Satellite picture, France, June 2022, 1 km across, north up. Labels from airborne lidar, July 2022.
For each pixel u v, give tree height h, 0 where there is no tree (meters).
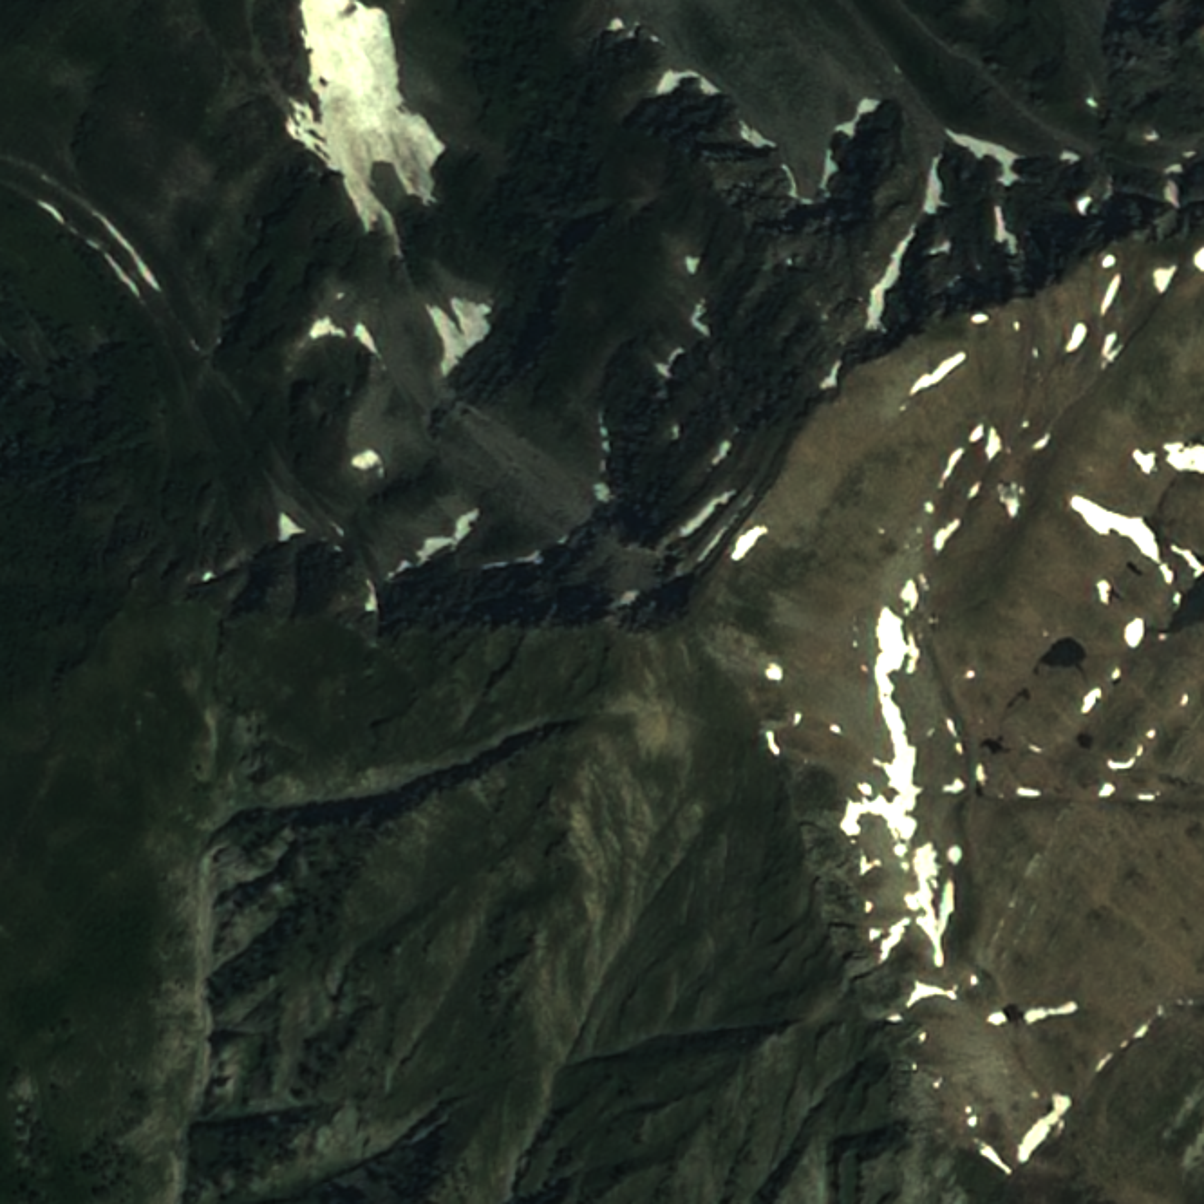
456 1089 0
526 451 0
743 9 0
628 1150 0
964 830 0
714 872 0
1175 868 0
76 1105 0
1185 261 0
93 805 0
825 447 0
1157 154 0
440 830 0
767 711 0
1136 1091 0
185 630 0
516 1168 0
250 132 0
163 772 0
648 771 0
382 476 0
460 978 0
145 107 0
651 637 0
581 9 0
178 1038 0
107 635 0
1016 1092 0
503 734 0
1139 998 0
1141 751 0
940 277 0
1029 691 0
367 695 0
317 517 0
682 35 0
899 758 0
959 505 0
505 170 0
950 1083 0
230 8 0
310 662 0
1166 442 0
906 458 0
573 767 0
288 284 0
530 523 0
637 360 0
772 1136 0
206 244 0
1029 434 0
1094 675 0
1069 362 0
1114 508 0
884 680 0
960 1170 0
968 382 0
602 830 0
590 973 0
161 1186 0
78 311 0
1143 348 0
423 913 0
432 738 0
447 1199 0
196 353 0
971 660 0
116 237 0
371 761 0
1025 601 0
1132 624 0
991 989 0
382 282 0
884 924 0
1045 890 0
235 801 0
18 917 0
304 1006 0
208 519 0
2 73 0
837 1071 0
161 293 0
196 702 0
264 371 0
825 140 0
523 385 0
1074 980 0
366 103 0
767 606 0
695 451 0
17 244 0
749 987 0
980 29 0
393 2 0
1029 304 0
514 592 0
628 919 0
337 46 0
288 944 13
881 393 0
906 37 0
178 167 0
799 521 0
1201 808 0
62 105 0
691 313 0
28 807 0
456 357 0
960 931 0
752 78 0
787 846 0
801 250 0
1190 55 0
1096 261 0
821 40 0
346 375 0
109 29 0
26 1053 0
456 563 0
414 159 0
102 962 0
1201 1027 0
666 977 0
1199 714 0
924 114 0
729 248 0
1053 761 0
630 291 0
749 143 0
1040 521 0
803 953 0
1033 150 0
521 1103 0
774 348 0
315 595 0
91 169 0
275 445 0
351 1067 0
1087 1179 0
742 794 0
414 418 0
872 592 0
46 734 0
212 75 0
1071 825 0
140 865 0
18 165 0
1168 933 0
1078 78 0
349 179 0
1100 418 0
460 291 0
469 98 0
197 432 0
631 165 0
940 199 0
